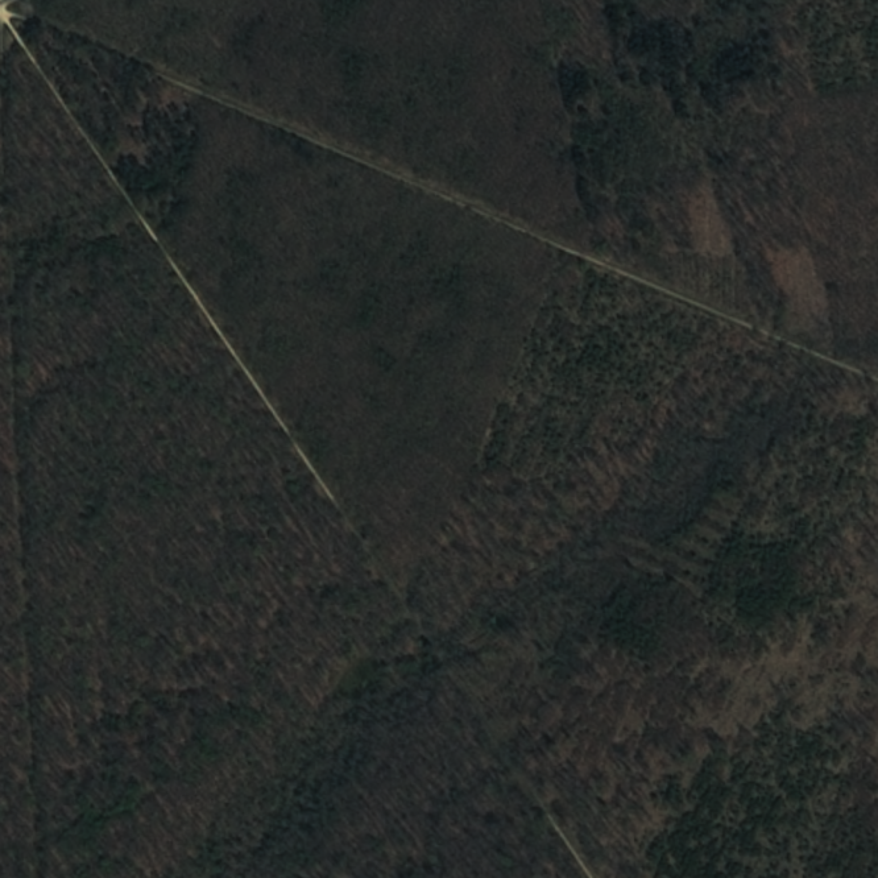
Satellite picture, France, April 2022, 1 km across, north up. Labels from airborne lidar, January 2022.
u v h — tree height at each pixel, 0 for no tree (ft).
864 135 50
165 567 77
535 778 93
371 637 27
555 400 28
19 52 45
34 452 93
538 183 45
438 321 37
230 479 91
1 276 52
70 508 93
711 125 21
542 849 95
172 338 87
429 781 108
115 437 76
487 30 49
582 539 88
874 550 0
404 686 77
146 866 102
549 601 83
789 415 34
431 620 100
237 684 99
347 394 44
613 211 84
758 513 33
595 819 84
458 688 89
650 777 101
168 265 84
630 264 65
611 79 61
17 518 81
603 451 0
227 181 61
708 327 25
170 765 93
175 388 90
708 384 34
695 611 22
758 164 29
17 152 90
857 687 0
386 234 44
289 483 83
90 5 50
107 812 99
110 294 84
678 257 24
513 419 24
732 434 62
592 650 94
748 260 62
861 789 22
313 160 49
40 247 32
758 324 0
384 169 0
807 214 81
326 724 88
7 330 89
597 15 71
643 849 0
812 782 0
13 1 0
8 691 77
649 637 50
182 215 73
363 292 47
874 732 96
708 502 29
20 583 76
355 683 0
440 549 89
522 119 40
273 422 82
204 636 96
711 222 0
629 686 24
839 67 32
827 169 44
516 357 33
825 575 21
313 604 94
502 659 0
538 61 42
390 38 48
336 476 41
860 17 18
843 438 24
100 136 94
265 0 46
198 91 0
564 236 49
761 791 20
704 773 20
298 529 108
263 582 102
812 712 0
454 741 103
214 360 83
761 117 20
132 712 19
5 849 85
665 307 24
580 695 23
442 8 46
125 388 90
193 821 93
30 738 69
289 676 97
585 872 0
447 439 0
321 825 86
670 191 68
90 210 90
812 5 20
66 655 81
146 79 88
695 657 19
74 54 91
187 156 79
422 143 46
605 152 38
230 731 96
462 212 39
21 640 86
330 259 41
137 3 52
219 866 81
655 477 87
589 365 19
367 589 91
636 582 31
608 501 110
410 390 40
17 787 80
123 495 85
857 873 20
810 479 19
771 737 28
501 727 84
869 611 0
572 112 60
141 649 95
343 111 46
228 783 99
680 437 82
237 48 48
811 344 0
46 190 88
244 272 42
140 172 84
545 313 30
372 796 109
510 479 34
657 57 69
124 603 76
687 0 42
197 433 90
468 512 45
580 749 19
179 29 50
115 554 86
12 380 80
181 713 38
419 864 20
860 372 0
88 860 80
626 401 20
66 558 86
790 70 79
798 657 0
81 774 32
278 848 89
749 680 0
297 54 37
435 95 40
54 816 75
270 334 58
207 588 94
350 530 84
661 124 22
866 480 21
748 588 29
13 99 75
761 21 24
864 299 43
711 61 24
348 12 39
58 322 91
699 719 100
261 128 45
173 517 85
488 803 109
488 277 38
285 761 77
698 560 35
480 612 91
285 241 45
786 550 31
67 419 88
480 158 44
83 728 79
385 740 94
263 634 94
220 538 93
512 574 95
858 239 58
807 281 0
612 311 21
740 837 26
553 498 29
